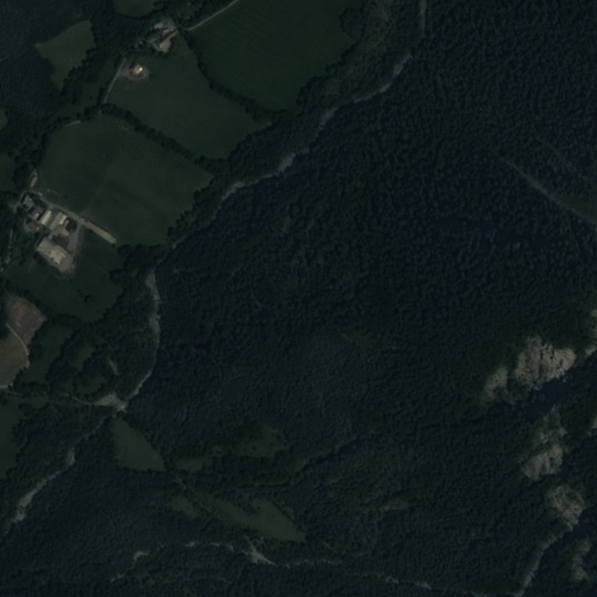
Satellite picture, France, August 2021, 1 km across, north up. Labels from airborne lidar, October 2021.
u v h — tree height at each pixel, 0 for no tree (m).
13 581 16
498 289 29
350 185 28
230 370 11
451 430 21
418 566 12
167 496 10
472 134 16
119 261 0
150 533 8
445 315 29
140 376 7
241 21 0
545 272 16
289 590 9
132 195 0
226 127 0
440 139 28
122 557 12
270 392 15
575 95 17
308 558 10
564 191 7
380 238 27
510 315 18
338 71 23
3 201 22
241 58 0
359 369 18
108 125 0
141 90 0
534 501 13
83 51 0
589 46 17
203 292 22
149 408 12
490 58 21
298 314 21
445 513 10
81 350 17
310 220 16
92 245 0
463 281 23
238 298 15
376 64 9
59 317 17
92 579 10
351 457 12
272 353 20
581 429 17
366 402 22
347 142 26
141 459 0
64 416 8
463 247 24
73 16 13
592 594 6
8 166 0
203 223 7
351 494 9
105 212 0
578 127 9
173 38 11
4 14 11
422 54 20
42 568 9
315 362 12
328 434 13
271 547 12
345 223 20
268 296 28
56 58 0
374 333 21
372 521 26
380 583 11
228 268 18
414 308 30
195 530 18
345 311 28
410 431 21
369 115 22
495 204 32
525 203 18
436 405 27
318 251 16
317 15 0
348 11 11
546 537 21
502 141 23
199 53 10
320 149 20
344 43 0
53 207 0
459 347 27
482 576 22
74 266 0
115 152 0
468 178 25
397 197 27
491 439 23
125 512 11
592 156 13
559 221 18
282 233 19
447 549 10
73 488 11
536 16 27
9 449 0
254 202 9
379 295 25
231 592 14
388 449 7
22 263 9
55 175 0
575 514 7
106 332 11
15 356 0
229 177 8
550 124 12
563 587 16
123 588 11
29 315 0
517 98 16
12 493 14
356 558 10
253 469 11
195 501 8
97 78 11
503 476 14
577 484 11
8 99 12
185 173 0
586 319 12
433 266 30
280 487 12
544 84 16
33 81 19
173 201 0
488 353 15
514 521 28
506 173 21
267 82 0
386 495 20
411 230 21
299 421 13
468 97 17
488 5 19
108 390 16
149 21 22
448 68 18
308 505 14
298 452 16
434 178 31
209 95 0
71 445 8
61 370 22
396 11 13
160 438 12
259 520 0
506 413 33
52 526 19
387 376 24
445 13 11
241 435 9
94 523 10
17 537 17
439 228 26
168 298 11
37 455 7
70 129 0
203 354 27
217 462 13
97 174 0
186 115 0
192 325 24
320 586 17
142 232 0
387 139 21
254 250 14
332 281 8
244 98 10
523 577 25
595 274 7
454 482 22
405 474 20
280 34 0
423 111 16
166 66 0
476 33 26
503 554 23
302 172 9
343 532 19
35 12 12
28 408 13
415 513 14
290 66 0
